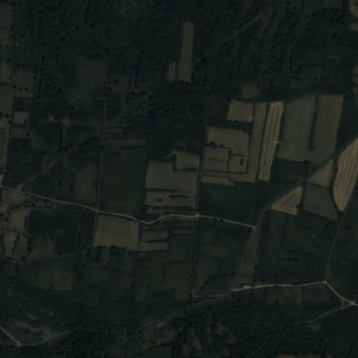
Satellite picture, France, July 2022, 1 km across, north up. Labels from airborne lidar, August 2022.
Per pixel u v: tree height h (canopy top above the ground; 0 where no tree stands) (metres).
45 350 8
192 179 0
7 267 0
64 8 6
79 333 20
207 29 12
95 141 12
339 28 0
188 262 0
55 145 0
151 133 6
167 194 0
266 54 0
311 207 0
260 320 7
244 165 0
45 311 0
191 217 0
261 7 7
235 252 0
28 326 0
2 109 0
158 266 0
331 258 0
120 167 0
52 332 0
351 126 0
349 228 10
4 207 0
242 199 0
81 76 0
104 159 0
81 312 11
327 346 11
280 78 0
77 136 0
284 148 0
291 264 0
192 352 11
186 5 11
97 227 0
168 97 8
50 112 14
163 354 0
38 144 0
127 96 11
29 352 11
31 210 0
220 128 0
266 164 0
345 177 0
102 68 0
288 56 0
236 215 0
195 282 0
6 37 0
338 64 0
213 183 0
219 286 0
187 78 0
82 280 0
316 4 0
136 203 0
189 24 0
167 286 0
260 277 0
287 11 9
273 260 0
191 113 11
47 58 0
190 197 0
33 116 6
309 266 0
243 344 13
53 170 6
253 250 0
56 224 0
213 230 0
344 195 0
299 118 0
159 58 7
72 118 10
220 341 18
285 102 0
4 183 8
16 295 0
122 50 12
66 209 0
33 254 0
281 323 7
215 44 0
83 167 0
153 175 0
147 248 0
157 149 8
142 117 11
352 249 0
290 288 7
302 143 0
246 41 7
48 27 7
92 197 0
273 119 0
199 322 17
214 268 0
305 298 0
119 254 8
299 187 0
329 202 0
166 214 8
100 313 5
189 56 0
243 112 0
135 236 0
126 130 12
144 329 0
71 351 11
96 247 6
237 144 0
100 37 10
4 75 0
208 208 0
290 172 0
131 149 7
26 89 14
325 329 8
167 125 6
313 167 0
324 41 9
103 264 0
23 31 0
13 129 0
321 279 0
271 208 0
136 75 14
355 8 0
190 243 0
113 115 8
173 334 0
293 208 0
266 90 0
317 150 0
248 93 0
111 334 13
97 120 0
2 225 0
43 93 18
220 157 0
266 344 6
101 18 16
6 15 0
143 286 0
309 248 0
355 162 0
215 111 0
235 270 0
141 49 10
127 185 0
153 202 0
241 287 0
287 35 10
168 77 0
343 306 0
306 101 0
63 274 0
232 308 11
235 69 0
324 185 0
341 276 0
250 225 0
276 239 0
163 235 0
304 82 0
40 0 0
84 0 10
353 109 0
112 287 0
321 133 0
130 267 0
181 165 0
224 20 13
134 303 7
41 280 0
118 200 0
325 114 0
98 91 0
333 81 0
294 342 7
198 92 7
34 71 11
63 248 0
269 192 0
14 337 0
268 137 0
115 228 0
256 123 0
